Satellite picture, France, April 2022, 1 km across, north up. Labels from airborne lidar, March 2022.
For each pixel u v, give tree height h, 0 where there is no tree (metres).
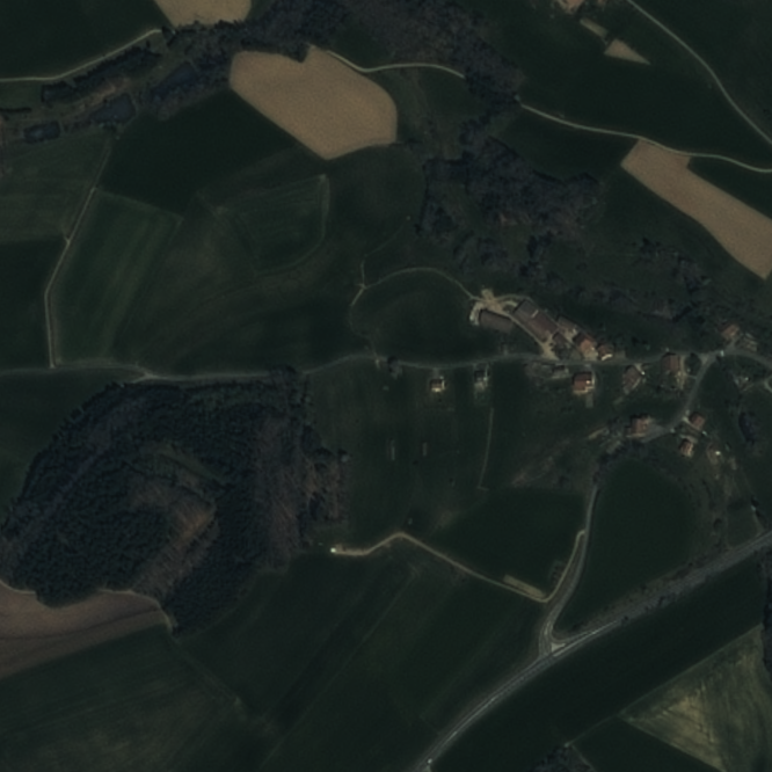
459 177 18
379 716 0
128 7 0
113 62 0
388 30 18
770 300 0
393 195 0
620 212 0
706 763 0
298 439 23
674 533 0
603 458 0
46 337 0
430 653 0
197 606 19
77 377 0
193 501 28
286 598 0
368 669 0
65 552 25
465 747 0
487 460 0
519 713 0
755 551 0
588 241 0
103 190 0
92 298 0
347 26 22
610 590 0
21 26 0
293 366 0
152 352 0
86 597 23
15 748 0
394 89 0
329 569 0
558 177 0
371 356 0
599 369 0
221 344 0
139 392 10
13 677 0
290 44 22
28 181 0
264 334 0
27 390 0
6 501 0
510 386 0
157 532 31
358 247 0
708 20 0
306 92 0
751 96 0
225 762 0
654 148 0
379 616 0
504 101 22
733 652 0
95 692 0
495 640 0
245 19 0
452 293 0
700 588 0
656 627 0
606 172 0
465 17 25
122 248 0
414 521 0
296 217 0
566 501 0
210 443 13
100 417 13
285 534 31
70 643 0
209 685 0
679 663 0
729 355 0
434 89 0
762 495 0
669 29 0
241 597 19
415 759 0
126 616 0
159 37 0
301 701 0
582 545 0
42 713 0
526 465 0
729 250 0
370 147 0
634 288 0
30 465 0
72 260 0
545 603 0
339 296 0
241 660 0
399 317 0
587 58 0
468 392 0
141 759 0
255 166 0
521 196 23
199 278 0
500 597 0
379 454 0
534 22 0
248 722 0
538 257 27
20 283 0
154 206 0
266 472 14
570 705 0
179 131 0
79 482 27
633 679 0
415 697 0
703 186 0
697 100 0
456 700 0
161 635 0
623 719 0
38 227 0
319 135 0
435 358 0
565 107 0
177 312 0
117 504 24
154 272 0
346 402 0
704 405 0
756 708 0
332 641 0
